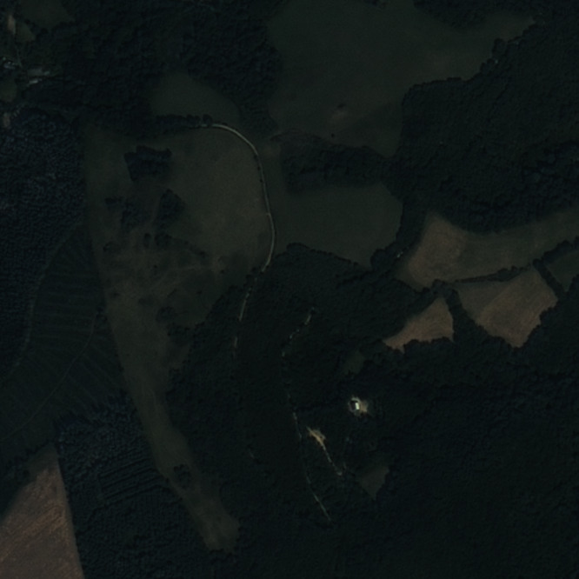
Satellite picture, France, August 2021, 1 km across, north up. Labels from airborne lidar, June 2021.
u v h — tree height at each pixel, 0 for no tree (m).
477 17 13
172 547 20
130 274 0
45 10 0
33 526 0
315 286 16
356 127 0
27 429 0
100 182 0
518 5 11
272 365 8
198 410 17
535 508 32
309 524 18
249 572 17
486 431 20
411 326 0
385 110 0
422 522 21
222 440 21
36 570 0
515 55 15
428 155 20
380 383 20
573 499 8
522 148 10
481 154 25
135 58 21
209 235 0
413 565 22
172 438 0
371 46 0
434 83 9
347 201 0
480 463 25
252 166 0
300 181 13
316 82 0
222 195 0
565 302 19
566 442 27
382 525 13
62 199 24
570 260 0
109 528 20
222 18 14
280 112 0
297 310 13
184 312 0
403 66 0
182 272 0
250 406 6
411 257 0
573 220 0
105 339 0
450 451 24
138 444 21
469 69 0
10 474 12
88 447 22
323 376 7
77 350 0
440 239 0
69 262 0
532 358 29
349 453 20
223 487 11
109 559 22
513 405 24
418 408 20
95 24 16
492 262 0
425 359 26
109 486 16
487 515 27
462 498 20
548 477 26
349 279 7
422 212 10
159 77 14
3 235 27
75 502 21
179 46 0
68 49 10
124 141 0
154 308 0
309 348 7
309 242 0
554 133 20
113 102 20
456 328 17
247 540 11
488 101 15
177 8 15
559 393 28
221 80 9
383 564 21
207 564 18
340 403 20
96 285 0
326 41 0
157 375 0
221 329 9
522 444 21
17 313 26
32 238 26
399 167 18
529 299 0
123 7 23
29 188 22
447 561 28
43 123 26
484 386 26
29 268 25
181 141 0
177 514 20
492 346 33
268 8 19
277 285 9
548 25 8
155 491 20
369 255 0
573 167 29
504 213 23
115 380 0
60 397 0
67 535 0
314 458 19
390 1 0
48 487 0
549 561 25
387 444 18
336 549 16
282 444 6
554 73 18
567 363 27
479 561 28
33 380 0
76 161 27
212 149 0
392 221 0
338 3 0
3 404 0
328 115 0
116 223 0
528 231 0
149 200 0
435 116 20
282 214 0
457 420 19
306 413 23
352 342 23
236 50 12
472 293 0
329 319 18
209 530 0
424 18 0
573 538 25
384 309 21
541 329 17
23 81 15
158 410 0
